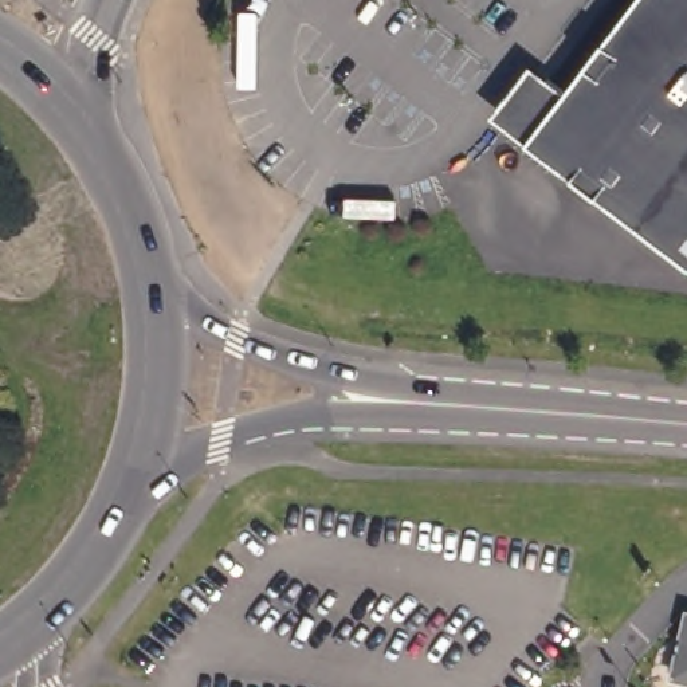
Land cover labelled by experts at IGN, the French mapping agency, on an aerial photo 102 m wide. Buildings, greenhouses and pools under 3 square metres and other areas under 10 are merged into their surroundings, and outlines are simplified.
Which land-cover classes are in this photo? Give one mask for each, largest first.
<instances>
[{"label":"impervious surface","instance_id":"1","mask_svg":"<svg viewBox=\"0 0 687 687\"><path fill-rule=\"evenodd\" d=\"M631 0H0V91L38 123V129L59 150L72 177L81 188L78 207L89 209L102 231V242L107 247L115 274L118 301L123 327L121 392L105 459L99 464L89 499L75 515L70 531L48 553V558L19 585V590L0 604V687H539V674L553 666L564 671H577L569 687H628V674L641 657V652L652 644V639H666L663 652L655 657L652 687H687V684H676L671 679L666 663L674 657L679 620L682 612H687V564H682L625 620V625L612 639H577L580 628H569L574 623V615L566 612V590L572 580L574 553L566 545L515 537H488L467 529H459L454 537H448L440 526L432 523L341 513L335 507L290 505L284 515V531L266 534L268 523L258 518L250 521L247 531H242L228 547H223L220 569L209 566L196 580V585L185 588L182 601L172 604V609L153 625L148 636L140 639L137 647H126L118 652L121 663L115 668L107 663V649L113 647L126 620L156 588V582L177 561L180 550L193 537L199 523L207 518L212 505L223 496V491L244 480L247 475L268 467L301 464L341 480H510L687 488V478L572 470L354 464L330 456L327 451H319V443L349 440L480 445L491 440L496 445L521 443L526 448L547 451L585 448L609 454L687 459V381L674 386L666 381V373L663 370L644 373L620 368H588L585 373L574 376L569 373L566 360L545 362L531 357H486L483 362H472L464 357L462 349L454 354H435L394 349L392 344L362 346L295 330L260 314L263 295H279L282 284L274 274L314 209H327L330 215L344 212L346 220H384L392 231H400L413 223H427L437 212H454L470 233L472 244L478 247L488 271L687 295V276L671 271L633 239H628L623 231H617L609 220H604L598 212L574 199L556 177L526 161L494 129H488L491 107L505 97V91L515 83V78L523 70H531L553 86L566 89V83L577 75L582 62L604 40V35L612 30V24L620 19ZM196 475L207 480L201 491L191 499L185 515L177 521L172 534L164 539L158 553L150 558V564L126 590L118 606L94 631L78 660L70 663L67 671H62V652L64 641L70 639V631L89 615V609L99 601V596L123 569L148 523L161 510L164 496L177 491V486L191 483Z\"/></svg>","mask_w":687,"mask_h":687},{"label":"herbaceous vegetation","instance_id":"2","mask_svg":"<svg viewBox=\"0 0 687 687\"><path fill-rule=\"evenodd\" d=\"M0 142L16 158L35 196L56 180L72 177L59 150L38 129V123L0 91ZM282 284L279 295H263L260 314L295 330L362 346L392 344L394 349L435 354H454L462 349L475 335H483L488 352L486 357H531L545 362L566 360L569 373L574 376L585 373L588 368H620L644 373L663 370V365L655 357L657 346L663 341L682 344V357L674 362V370L666 373V381L674 386L687 381V295L488 271L478 247L472 244L470 233L454 212H437L427 223H413L400 231H392L384 220H346L344 212L330 215L327 209H314L274 274ZM123 327L118 301H102L99 295H91L86 290H70V282L56 276V282L43 295L32 301H0V408L16 411L27 429L24 456L19 459L16 472L3 478L8 499L5 507H0V604L19 590V585L48 558V553L70 531L75 515L89 499L99 464L105 459L121 392ZM319 451H327L330 456L354 464L572 470L687 478V459L609 454L585 448L547 451L526 448L521 443L496 445L491 440L480 445L349 440L319 443ZM290 505L335 507L341 513L432 523L440 526L448 537H454L459 529H467L488 537H515L566 545L574 553L572 580L566 590V612L574 615V623L569 628H580L577 639H612L625 625V620L682 564H687V488L510 480H341L301 464L268 467L247 475L244 480L223 491V496L212 505L207 518L199 523L193 537L180 550L177 561L156 582V588L126 620L113 647L107 649V663L115 668L121 663L118 652L126 647H137L140 639L148 636L153 625L172 609V604L182 601L185 588L196 585V580L209 566L220 569L223 547H228L242 531H247L250 521L258 518L268 523L266 534L284 531V515ZM207 480L196 475L191 483L177 486V491L164 496L161 510L148 523L123 569L99 596V601L89 609V615L70 631V639L64 641L62 652V671H67L70 663L78 660L94 631L118 606L126 590L150 564V558L158 553L164 539L172 534L177 521L185 515L191 499L201 491ZM666 639H652V644L641 652V657L628 674V687H652L655 657L663 652ZM539 687H569L577 671H564L553 666L539 674Z\"/></svg>","mask_w":687,"mask_h":687},{"label":"building","instance_id":"3","mask_svg":"<svg viewBox=\"0 0 687 687\"><path fill-rule=\"evenodd\" d=\"M488 129H494L526 161L556 177L574 199L598 212L604 220H609L617 231H623L628 239H633L671 271L687 276V0H631L620 19L612 24V30L604 35V40L582 62L577 75L566 83V89L553 86L531 70H523L515 78V83L505 91V97L491 107ZM671 679L676 684H687V612H682L679 620L674 657L666 663Z\"/></svg>","mask_w":687,"mask_h":687},{"label":"pervious surface","instance_id":"4","mask_svg":"<svg viewBox=\"0 0 687 687\"><path fill-rule=\"evenodd\" d=\"M81 188L72 177L56 180L35 196V220L19 236L0 239V301H32L43 295L56 282V276L70 282V290H86L91 295H99L102 301H118L115 274L107 247L102 242V231L89 209L78 207Z\"/></svg>","mask_w":687,"mask_h":687},{"label":"deciduous trees","instance_id":"5","mask_svg":"<svg viewBox=\"0 0 687 687\"><path fill-rule=\"evenodd\" d=\"M35 196L16 158L0 142V239L19 236L35 220ZM462 349L464 357L472 362H483L486 357L488 352L483 335H475ZM655 357L663 365V370L666 373L674 370V362L682 357V344L663 341L657 346ZM27 429L16 411L0 408V507H5L8 499L3 478L16 472L19 459L24 456Z\"/></svg>","mask_w":687,"mask_h":687}]
</instances>
